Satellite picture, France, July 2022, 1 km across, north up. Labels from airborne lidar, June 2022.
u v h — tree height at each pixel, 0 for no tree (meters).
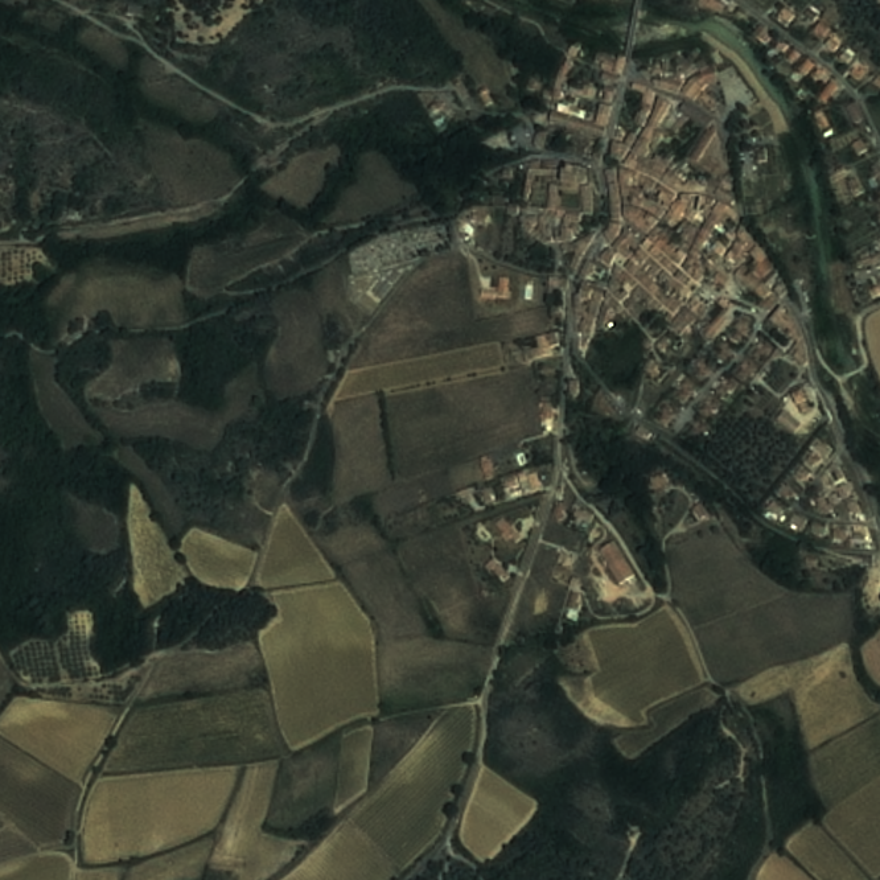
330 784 0
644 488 9
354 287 0
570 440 9
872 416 0
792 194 6
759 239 13
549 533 0
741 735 0
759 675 0
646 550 12
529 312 0
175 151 0
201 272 0
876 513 0
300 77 8
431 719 10
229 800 0
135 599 11
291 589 0
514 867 7
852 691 0
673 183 0
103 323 7
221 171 0
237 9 0
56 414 0
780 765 6
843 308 0
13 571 9
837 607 0
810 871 0
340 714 0
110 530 0
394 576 0
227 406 0
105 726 0
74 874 0
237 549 0
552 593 0
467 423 0
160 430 0
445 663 0
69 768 0
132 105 10
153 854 0
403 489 0
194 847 0
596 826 0
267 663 0
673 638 0
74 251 14
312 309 0
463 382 0
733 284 0
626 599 0
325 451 5
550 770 0
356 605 0
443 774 0
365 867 0
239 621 10
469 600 0
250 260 0
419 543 0
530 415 0
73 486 7
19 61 9
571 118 0
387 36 11
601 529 0
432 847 0
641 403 0
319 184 0
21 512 10
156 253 14
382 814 0
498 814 0
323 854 0
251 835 0
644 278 0
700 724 7
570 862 11
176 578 0
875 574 0
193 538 0
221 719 0
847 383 0
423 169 18
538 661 0
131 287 0
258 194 11
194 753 0
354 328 0
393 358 0
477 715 0
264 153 6
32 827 0
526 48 10
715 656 0
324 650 0
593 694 0
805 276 0
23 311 11
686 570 0
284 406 8
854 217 0
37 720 0
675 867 8
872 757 0
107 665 6
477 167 19
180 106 0
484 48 0
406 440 0
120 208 9
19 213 8
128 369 0
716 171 0
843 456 0
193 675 0
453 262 0
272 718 0
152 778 0
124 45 0
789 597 0
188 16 8
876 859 0
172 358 0
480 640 0
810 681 0
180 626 13
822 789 0
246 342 12
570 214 0
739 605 0
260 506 0
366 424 0
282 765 0
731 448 8
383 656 0
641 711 0
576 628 8
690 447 9
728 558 0
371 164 0
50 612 13
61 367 12
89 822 0
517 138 0
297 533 0
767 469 8
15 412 10
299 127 7
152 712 0
